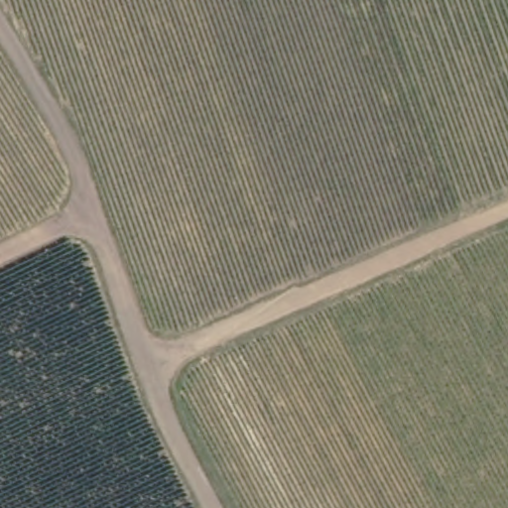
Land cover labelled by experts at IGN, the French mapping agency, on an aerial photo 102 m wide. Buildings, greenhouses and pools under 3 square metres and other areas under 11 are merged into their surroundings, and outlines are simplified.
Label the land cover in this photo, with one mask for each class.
<instances>
[{"label":"vineyard","instance_id":"1","mask_svg":"<svg viewBox=\"0 0 508 508\"><path fill-rule=\"evenodd\" d=\"M4 20L12 28L14 36L28 52L30 60L38 69L40 77L44 79L48 91L60 105L63 117L81 147L91 185L97 194L103 218L109 226L115 246L119 250L125 274L135 294L139 314L145 327L157 337L177 339L187 333H198L200 329L212 327L224 319L244 314L264 302L288 294L294 288L310 286L325 276L351 268L359 262H365L387 250L407 244L427 232L444 228L460 218H466L470 214H476L480 210L492 208L508 200V0H0V22ZM71 179L58 141L44 123L40 109L34 105V99L26 89L24 81L14 71L10 56H6L0 50V244L8 240L12 234L24 232L60 214L69 196ZM169 399L181 425V431L189 441L196 462L206 474L220 508H508V218L482 230H476L456 242H450L448 246L437 248L401 268L389 270L363 284L343 290L337 296L319 300L308 308L296 310L288 316L278 317L266 325L254 327L246 333L226 339L224 343L200 351L198 355L183 363V367L177 371L169 387ZM157 423L147 403L139 371L137 367H133V357L127 349V341L121 331V323L113 306V298L109 294L107 276L97 250L87 240H77L75 244H71L69 238H58L26 256L12 260L10 264L0 262V508H200L196 502V494L185 482L183 474L179 470L175 472L169 462L171 450L165 444L161 446L155 433Z\"/></svg>","mask_w":508,"mask_h":508},{"label":"pervious surface","instance_id":"2","mask_svg":"<svg viewBox=\"0 0 508 508\"><path fill-rule=\"evenodd\" d=\"M0 50L6 56H10L14 71L24 81L26 89L34 99V105L40 109L44 123L58 141L71 179L69 196L60 214L24 232L12 234L8 240L0 244V262L10 264L12 260L26 256L58 238H69L71 244H75L77 240H87L97 250L107 276L109 294L113 298V306L121 323V331L127 341V349L133 357V367H137L139 371L147 403L157 423L155 433L161 446L165 444L171 450L169 462L175 472L179 470L183 474L185 482L196 494V502L200 508H220L206 474L196 462L189 441L181 431V425L169 399V387L177 371L183 367V363L198 355L200 351L224 343L226 339L246 333L254 327L266 325L278 317L288 316L296 310L308 308L319 300L337 296L343 290L363 284L389 270L401 268L437 248L448 246L450 242H456L476 230H482L508 218V200L492 208L480 210L476 214H470L466 218H460L444 228L427 232L407 244L387 250L365 262H359L351 268L325 276L310 286L294 288L288 294L264 302L244 314L224 319L212 327L200 329L198 333H187L177 339L157 337L145 327L139 314L135 294L125 274L119 250L115 246L109 226L103 218L97 194L91 185L81 147L63 117L60 105L48 91L44 79L40 77L38 69L30 60L28 52L14 36L12 28L4 20L0 22Z\"/></svg>","mask_w":508,"mask_h":508}]
</instances>
